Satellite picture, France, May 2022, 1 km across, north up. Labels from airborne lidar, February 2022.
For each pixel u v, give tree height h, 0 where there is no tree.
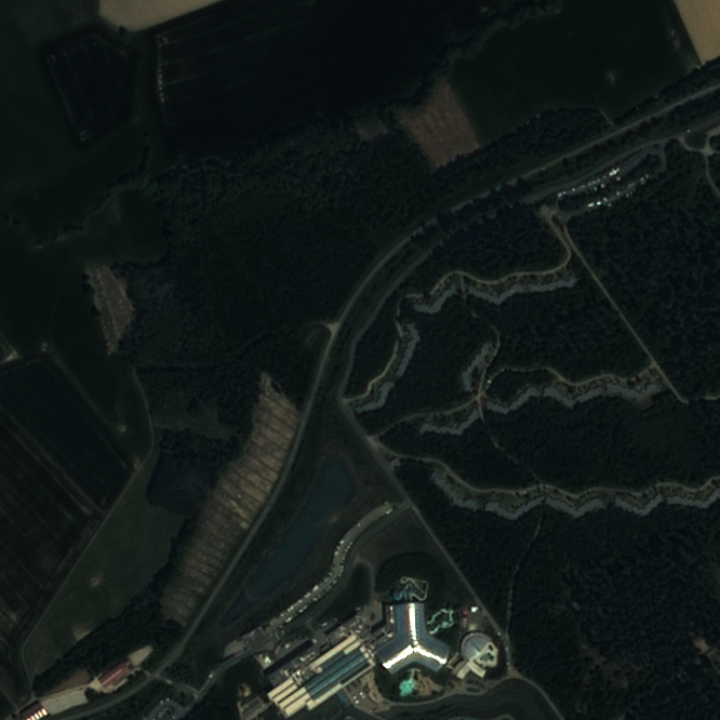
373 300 0
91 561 0
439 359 11
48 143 0
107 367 0
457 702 0
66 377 0
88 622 0
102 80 0
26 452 0
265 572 0
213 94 0
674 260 39
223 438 0
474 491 0
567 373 11
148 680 0
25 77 0
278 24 0
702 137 0
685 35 0
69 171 0
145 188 8
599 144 0
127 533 0
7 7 0
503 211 0
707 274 14
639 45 0
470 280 0
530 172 0
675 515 14
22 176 0
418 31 0
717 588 0
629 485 11
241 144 0
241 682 0
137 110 0
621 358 11
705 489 0
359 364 10
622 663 34
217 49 0
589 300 9
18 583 0
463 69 0
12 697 0
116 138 0
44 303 0
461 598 0
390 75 0
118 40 0
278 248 14
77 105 0
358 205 13
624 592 35
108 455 0
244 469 0
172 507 17
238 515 0
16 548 0
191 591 0
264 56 0
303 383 11
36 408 0
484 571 9
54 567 0
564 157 0
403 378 8
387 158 25
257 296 13
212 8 0
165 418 0
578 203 11
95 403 0
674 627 38
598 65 0
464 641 0
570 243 0
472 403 0
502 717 0
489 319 11
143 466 0
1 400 0
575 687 8
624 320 0
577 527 10
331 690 0
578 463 16
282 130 0
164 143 0
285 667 0
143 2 0
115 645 13
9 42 0
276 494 0
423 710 0
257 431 0
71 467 0
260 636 0
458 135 0
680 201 10
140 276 20
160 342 23
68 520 0
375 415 10
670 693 34
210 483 27
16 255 0
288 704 0
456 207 0
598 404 10
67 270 0
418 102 21
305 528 0
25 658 0
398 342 0
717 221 40
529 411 10
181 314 26
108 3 0
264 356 17
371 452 0
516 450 20
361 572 0
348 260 13
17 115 0
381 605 0
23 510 0
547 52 0
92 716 0
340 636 0
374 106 0
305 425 0
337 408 0
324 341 0
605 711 8
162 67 0
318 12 0
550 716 0
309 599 0
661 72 0
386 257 0
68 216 0
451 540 9
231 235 16
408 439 9
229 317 18
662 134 0
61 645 0
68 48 0
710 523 9
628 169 0
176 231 19
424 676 0
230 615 0
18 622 0
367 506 0
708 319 11
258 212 15
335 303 16
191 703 0
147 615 12
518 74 0
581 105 0
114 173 0
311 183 34
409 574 7
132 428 0
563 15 0
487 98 0
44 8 0
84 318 0
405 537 0
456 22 0
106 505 0
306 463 0
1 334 0
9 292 0
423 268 7
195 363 21
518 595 11
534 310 11
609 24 0
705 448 11
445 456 7
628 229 12
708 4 0
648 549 15
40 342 0
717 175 8
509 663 0
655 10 0
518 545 10
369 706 0
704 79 14
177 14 0
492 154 17
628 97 0
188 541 17
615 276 36
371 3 0
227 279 16
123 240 0
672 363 16
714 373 9
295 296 16
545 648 10
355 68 0
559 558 10
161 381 14
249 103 0
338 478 0
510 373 9
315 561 0
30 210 0
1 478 0
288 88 0
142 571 0
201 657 0
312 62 0
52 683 12
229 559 0
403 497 0
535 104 0
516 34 0
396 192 12
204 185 30
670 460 10
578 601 35
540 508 8
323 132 25
